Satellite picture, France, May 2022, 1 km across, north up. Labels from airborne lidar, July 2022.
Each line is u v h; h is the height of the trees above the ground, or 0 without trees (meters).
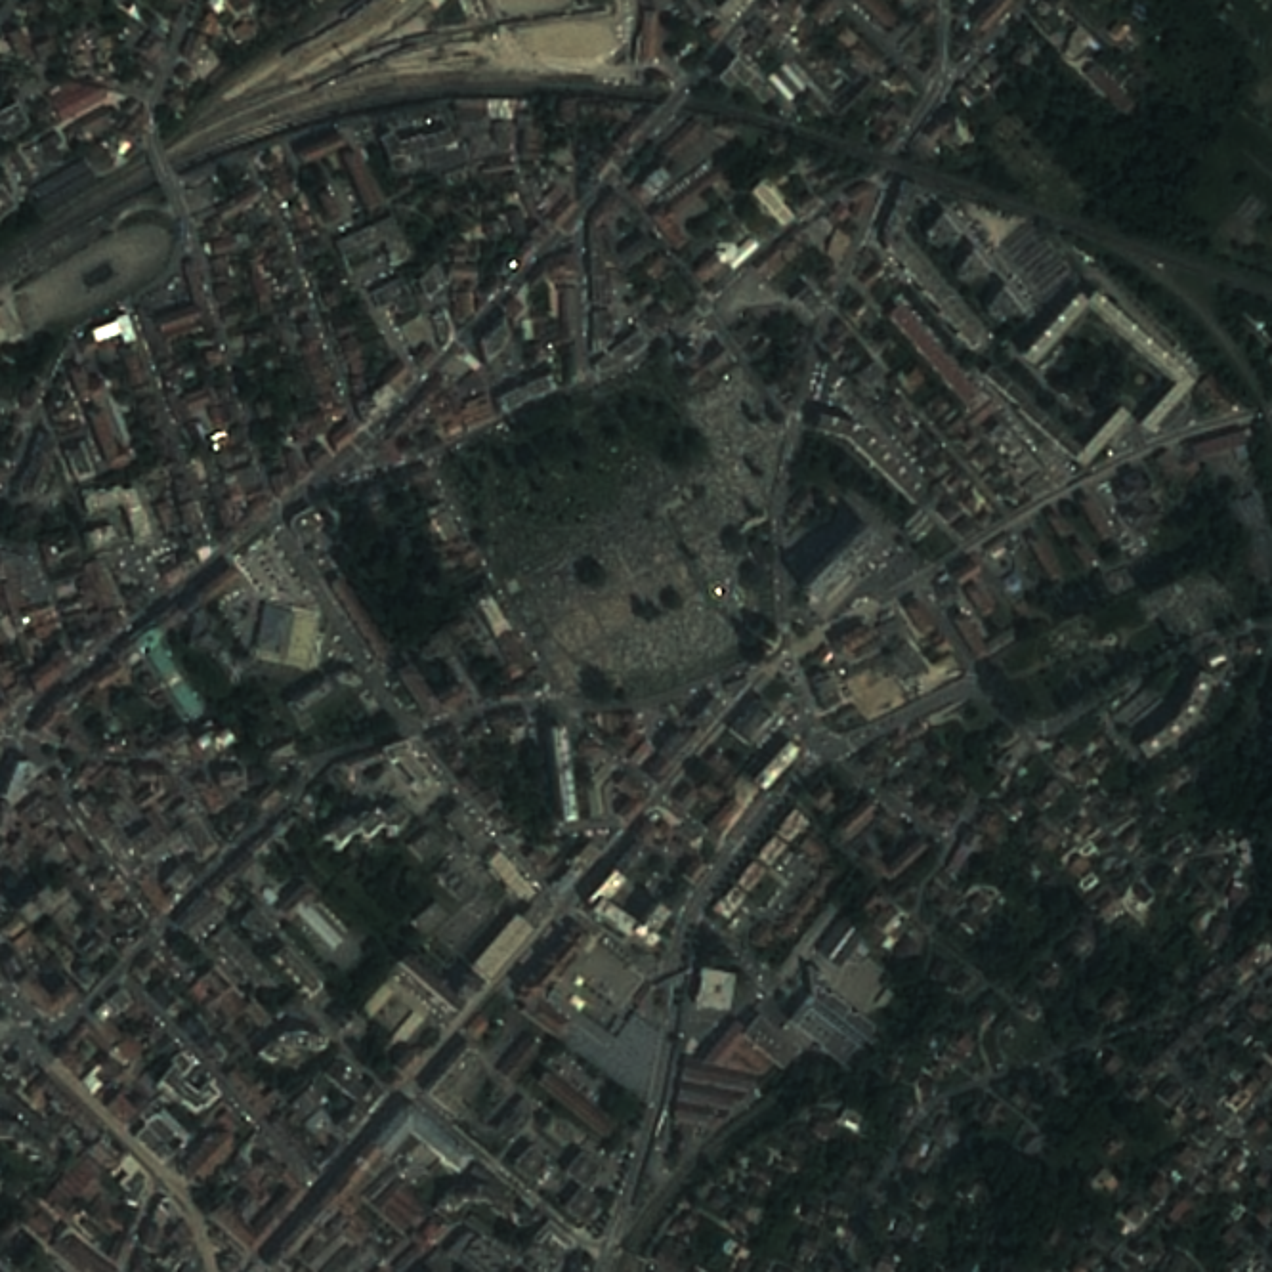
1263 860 17
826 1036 0
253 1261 0
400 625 26
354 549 21
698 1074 0
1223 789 21
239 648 8
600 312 0
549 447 20
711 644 0
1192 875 7
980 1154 22
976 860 11
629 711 0
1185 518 21
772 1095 11
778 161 6
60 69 7
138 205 0
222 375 7
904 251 0
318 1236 0
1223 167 0
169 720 9
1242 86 9
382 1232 6
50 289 0
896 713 0
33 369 15
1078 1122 17
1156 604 0
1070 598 13
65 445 10
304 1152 0
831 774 9
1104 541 10
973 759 10
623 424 15
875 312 0
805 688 0
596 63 0
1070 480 0
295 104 0
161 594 0
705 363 0
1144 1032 8
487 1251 0
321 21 0
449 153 0
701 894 0
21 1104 7
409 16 0
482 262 6
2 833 0
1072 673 0
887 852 11
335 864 8
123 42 6
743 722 0
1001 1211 19
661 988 8
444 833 0
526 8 0
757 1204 7
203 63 0
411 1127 0
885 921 0
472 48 0
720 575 0
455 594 8
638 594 0
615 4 0
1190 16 6
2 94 7
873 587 0
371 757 0
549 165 8
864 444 0
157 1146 0
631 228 7
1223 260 8
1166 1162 13
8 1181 16
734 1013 0
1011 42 6
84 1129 0
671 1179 0
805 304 0
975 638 0
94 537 0
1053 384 14
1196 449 0
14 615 0
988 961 19
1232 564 13
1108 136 6
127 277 0
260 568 0
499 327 0
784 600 0
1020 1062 0
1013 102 12
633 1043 0
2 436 16
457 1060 0
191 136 0
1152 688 13
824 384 0
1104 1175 0
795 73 0
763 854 0
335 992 15
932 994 14
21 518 0
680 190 0
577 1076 0
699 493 10
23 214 11
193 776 0
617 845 0
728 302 0
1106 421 0
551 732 0
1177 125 22
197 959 20
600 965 0
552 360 5
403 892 13
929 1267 8
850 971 0
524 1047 0
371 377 6
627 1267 0
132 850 0
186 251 0
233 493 0
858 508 0
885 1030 0
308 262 7
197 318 0
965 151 7
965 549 0
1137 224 14
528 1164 0
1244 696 17
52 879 13
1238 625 14
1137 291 12
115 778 0
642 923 0
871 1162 7
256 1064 8
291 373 6
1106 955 19
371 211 7
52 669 0
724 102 11
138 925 13
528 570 0
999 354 10
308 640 0
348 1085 0
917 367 7
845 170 7
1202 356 9
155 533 0
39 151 0
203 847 0
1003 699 19
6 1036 0
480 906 0
